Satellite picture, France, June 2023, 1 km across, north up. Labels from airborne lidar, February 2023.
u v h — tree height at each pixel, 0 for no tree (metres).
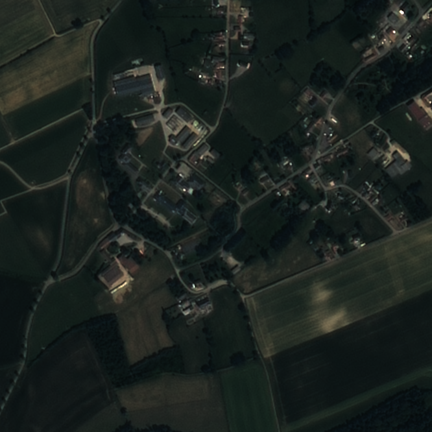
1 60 0
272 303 0
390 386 0
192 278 11
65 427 0
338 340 0
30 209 0
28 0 0
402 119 0
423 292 0
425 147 0
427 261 0
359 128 0
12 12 0
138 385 0
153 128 0
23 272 0
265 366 0
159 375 0
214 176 0
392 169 0
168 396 0
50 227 0
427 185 0
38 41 0
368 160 0
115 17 0
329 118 0
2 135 0
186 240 0
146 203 0
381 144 0
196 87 0
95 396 0
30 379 0
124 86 0
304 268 0
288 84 0
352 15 0
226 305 0
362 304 0
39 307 0
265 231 0
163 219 0
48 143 0
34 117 0
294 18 0
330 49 0
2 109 0
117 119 21
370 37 0
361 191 0
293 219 31
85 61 0
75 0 0
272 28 0
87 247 0
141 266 0
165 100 0
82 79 0
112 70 0
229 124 0
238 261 0
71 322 0
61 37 0
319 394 0
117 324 18
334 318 0
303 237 0
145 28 0
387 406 18
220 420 0
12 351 0
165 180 0
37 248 0
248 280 0
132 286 0
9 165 0
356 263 0
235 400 0
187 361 0
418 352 0
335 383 0
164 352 10
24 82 0
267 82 0
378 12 0
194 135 0
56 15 0
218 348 0
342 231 0
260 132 0
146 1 32
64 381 0
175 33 0
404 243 0
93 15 0
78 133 0
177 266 0
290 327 0
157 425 0
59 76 0
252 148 0
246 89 0
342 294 0
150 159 0
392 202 0
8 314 0
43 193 0
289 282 0
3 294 0
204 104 0
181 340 0
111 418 0
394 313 0
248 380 0
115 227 0
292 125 0
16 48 0
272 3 0
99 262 0
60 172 0
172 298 0
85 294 0
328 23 9
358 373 0
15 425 0
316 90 0
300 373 0
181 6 0
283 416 0
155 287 0
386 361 0
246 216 0
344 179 0
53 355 0
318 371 0
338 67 0
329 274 0
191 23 0
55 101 0
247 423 0
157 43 0
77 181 0
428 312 0
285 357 0
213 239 18
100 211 0
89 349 0
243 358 28
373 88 0
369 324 0
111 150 23
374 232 0
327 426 0
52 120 0
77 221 0
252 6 0
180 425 0
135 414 0
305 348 0
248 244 0
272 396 0
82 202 0
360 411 0
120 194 24
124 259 0
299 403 0
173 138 0
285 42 0
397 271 0
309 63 0
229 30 0
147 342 0
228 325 0
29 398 0
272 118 0
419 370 0
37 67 0
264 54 0
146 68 0
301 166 0
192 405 0
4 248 0
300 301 0
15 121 0
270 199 0
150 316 0
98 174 0
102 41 0
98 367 0
